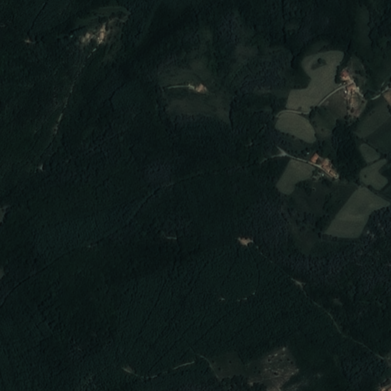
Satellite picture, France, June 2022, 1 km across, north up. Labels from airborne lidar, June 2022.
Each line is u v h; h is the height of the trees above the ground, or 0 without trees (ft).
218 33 29
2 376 44
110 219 84
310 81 0
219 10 56
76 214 57
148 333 44
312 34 35
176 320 46
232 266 31
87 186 67
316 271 29
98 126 23
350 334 24
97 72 35
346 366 57
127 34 52
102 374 39
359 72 31
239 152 50
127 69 65
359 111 0
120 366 33
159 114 54
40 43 68
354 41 61
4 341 46
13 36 81
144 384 67
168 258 48
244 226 41
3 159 35
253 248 49
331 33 52
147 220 41
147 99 55
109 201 53
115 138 46
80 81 49
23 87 33
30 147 36
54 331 45
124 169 35
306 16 32
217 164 56
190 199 46
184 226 50
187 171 48
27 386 44
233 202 54
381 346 42
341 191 0
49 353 47
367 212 0
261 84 26
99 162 35
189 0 85
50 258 75
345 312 19
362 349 27
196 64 0
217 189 44
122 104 64
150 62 32
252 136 58
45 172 37
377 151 26
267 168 26
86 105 71
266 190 49
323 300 21
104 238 62
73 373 46
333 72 0
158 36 62
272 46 32
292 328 37
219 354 40
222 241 34
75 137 59
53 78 30
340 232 0
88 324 49
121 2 52
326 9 65
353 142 51
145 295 41
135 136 43
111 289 51
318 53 0
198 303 32
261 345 27
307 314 38
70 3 52
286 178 0
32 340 35
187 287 43
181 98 0
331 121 0
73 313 55
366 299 80
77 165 44
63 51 28
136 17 68
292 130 0
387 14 48
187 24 49
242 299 34
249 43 18
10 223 52
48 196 51
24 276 38
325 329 36
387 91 0
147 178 49
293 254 49
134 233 53
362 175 0
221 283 38
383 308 65
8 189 86
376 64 0
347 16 50
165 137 51
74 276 51
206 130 60
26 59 43
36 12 72
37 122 30
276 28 44
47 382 30
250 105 58
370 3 42
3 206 42
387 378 31
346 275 39
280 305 31
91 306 53
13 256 47
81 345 49
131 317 42
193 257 61
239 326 35
